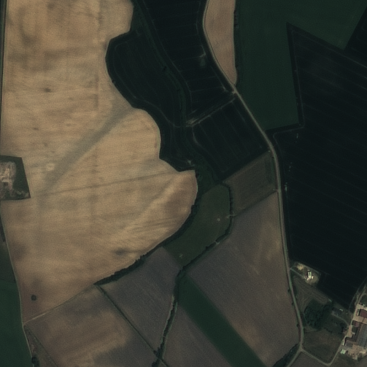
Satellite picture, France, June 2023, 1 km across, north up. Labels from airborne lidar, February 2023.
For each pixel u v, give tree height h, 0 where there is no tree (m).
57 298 0
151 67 0
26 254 0
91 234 0
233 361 0
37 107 0
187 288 0
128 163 0
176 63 0
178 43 0
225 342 0
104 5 0
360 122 0
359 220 0
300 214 0
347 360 0
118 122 0
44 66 0
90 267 0
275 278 0
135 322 0
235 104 0
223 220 0
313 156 0
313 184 0
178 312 0
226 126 0
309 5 0
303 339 0
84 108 0
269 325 0
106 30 0
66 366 0
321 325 0
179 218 0
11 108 0
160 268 0
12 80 0
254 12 0
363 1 0
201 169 0
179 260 0
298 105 0
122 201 0
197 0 0
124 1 0
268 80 0
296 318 0
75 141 0
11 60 0
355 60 0
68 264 0
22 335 0
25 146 0
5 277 0
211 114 0
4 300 0
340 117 0
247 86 0
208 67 0
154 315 0
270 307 0
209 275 0
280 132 0
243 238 0
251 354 0
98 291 0
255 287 0
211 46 0
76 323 0
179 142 0
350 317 0
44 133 0
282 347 0
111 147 0
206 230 0
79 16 0
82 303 0
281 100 0
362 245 0
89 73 0
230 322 0
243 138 0
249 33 0
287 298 0
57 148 0
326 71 0
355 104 0
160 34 0
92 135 0
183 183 0
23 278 0
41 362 0
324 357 0
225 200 0
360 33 0
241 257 0
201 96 0
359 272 0
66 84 0
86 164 0
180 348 0
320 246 0
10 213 0
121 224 0
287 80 0
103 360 0
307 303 0
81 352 0
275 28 0
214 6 0
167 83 0
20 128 0
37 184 0
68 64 0
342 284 0
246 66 0
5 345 0
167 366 6
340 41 0
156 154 0
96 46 0
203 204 0
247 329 0
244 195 0
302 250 0
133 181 0
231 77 0
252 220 0
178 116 0
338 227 0
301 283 0
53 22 0
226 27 0
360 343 0
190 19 0
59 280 0
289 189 0
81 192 0
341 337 0
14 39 0
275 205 0
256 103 0
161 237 0
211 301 0
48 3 0
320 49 0
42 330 0
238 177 0
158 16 0
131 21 0
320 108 0
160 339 0
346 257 0
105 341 0
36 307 0
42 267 0
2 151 0
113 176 0
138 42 0
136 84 0
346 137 0
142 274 0
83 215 0
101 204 0
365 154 0
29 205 0
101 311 0
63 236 0
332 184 0
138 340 0
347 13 0
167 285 0
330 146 0
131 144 0
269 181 0
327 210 0
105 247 0
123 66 0
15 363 0
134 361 0
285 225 0
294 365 0
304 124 0
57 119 0
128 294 0
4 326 0
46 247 0
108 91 0
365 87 0
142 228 0
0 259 0
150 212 0
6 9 0
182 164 0
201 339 0
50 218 0
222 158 0
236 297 0
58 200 0
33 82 0
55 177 0
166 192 0
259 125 0
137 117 0
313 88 0
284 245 0
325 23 0
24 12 0
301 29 0
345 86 0
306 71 0
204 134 0
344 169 0
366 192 0
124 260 0
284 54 0
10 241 0
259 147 0
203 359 0
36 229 0
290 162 0
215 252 0
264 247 0
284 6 0
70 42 0
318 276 0
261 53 0
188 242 0
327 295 0
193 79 0
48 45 0
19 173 0
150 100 0
